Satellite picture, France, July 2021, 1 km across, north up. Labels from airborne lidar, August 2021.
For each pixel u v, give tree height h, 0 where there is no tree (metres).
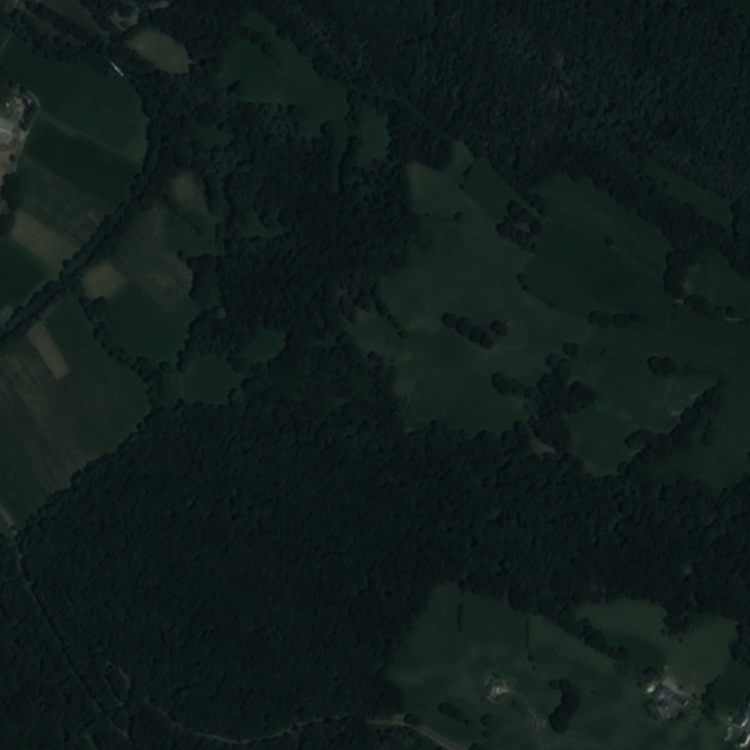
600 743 0
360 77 22
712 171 31
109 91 0
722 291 0
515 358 0
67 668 21
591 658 0
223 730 22
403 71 25
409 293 0
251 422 24
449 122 19
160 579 24
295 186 21
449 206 0
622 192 25
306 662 23
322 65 23
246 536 33
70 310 0
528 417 0
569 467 26
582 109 29
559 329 0
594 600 9
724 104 31
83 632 22
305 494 20
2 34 0
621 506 19
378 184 14
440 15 27
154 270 0
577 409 25
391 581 25
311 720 22
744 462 0
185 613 23
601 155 29
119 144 0
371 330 0
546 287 0
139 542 27
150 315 0
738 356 0
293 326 23
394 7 27
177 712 22
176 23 23
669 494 30
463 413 0
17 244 0
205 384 0
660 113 31
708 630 0
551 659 0
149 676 22
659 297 0
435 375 0
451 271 0
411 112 21
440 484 27
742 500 12
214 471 26
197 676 24
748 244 32
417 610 25
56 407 0
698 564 29
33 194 0
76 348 0
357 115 11
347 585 30
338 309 13
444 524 29
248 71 0
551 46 28
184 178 0
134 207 19
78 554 24
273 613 24
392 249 21
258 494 26
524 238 20
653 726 0
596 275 0
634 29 25
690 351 0
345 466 34
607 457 0
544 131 25
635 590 22
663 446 29
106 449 0
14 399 0
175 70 0
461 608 5
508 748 0
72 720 30
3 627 31
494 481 18
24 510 0
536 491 28
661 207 25
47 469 0
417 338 0
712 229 30
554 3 23
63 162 0
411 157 24
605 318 13
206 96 18
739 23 24
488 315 0
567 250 0
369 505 28
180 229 0
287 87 0
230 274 18
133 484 28
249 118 29
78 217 0
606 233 0
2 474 0
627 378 0
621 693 0
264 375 21
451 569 19
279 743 22
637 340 0
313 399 10
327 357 19
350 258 31
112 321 0
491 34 19
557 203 0
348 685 24
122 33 7
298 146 22
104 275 0
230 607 24
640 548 34
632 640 0
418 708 0
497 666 0
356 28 21
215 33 20
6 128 0
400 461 31
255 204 16
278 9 15
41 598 25
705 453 0
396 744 14
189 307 0
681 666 0
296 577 33
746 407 0
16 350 0
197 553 23
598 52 28
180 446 26
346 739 32
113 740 29
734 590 27
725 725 0
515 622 0
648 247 0
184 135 31
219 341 21
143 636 20
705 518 28
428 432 11
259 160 20
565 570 29
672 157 31
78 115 0
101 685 23
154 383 22
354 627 30
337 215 26
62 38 21
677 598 25
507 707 0
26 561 14
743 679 0
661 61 25
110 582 24
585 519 36
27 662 28
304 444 25
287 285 18
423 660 0
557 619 12
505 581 26
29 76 0
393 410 8
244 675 19
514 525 33
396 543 24
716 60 23
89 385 0
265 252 25
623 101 25
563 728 19
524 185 22
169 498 22
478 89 21
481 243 0
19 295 0
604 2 25
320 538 25
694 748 0
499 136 22
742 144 24
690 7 11
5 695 26
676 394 0
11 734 26
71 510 23
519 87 25
